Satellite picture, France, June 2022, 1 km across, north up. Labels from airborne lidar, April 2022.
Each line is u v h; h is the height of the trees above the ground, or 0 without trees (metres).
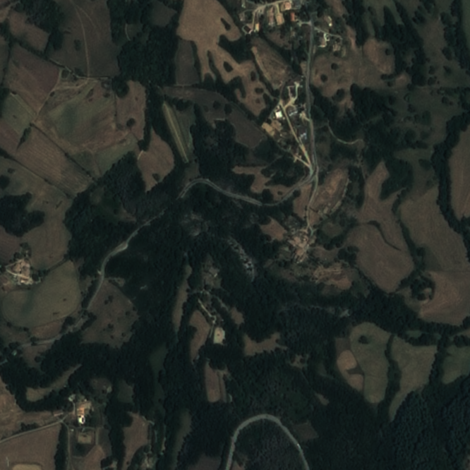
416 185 0
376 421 7
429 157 0
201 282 0
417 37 14
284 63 0
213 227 13
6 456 0
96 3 0
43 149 0
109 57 0
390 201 0
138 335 17
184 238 15
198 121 9
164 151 0
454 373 0
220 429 13
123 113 0
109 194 10
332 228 0
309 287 7
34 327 0
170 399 19
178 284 18
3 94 6
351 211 0
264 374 16
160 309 9
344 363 0
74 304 0
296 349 13
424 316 0
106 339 0
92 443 0
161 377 13
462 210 0
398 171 6
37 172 0
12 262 8
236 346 14
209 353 15
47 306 0
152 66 14
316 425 10
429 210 0
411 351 0
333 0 0
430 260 0
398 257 0
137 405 13
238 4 0
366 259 0
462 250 0
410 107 17
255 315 21
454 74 0
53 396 15
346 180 0
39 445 0
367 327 0
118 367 20
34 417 0
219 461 0
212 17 0
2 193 0
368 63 0
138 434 0
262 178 0
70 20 0
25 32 0
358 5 15
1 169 0
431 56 0
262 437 10
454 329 14
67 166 0
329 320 14
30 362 0
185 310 17
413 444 25
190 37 0
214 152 15
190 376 14
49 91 0
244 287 21
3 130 0
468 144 0
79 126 0
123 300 0
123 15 10
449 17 20
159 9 0
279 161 7
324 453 13
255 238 12
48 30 11
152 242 17
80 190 0
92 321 11
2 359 16
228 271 11
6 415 0
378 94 13
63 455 8
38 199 0
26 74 0
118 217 0
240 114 0
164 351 0
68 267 0
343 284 0
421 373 0
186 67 0
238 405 15
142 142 9
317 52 0
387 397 7
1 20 0
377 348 0
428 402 19
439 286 0
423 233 0
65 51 0
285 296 14
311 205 0
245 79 0
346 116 9
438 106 0
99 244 10
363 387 0
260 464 11
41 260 0
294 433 10
